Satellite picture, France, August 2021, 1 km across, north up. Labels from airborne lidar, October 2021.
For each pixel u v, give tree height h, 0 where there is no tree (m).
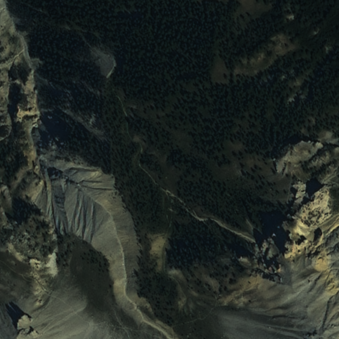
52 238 0
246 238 0
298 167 0
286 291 0
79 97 22
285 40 0
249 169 0
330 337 0
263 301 0
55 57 23
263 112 15
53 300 0
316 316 0
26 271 0
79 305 0
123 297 0
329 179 0
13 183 0
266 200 0
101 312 0
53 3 8
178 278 0
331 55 11
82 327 0
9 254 0
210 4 24
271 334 0
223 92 21
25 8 7
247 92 15
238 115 11
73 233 0
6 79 0
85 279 0
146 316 0
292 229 0
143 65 23
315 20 6
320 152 10
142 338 0
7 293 0
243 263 0
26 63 0
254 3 0
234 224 10
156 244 0
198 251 8
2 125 7
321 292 0
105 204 0
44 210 0
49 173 0
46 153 0
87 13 13
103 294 0
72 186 0
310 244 0
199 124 22
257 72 0
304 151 0
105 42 9
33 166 0
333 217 0
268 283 0
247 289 0
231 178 0
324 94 10
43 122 0
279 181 0
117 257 0
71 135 21
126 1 16
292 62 18
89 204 0
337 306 0
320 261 0
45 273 0
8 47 0
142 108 0
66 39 15
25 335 0
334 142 0
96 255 11
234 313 0
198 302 0
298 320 0
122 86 10
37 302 0
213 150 11
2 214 0
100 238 0
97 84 10
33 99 0
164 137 9
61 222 0
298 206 0
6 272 0
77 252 0
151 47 17
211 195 17
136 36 8
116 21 25
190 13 26
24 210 10
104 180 0
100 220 0
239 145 0
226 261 0
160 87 6
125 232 0
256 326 0
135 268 0
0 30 0
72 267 0
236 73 0
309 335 0
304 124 17
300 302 0
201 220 0
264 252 0
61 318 0
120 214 0
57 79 11
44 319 0
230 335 0
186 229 7
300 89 6
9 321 0
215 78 0
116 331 0
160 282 9
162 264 0
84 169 0
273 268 0
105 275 0
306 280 0
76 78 17
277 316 0
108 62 0
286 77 9
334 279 0
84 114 6
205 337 0
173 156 14
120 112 7
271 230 0
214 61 9
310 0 12
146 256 0
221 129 18
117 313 0
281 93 8
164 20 15
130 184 8
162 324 0
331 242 0
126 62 26
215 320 0
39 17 7
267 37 19
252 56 21
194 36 23
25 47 0
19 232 0
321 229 0
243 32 21
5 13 0
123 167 9
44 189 0
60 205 0
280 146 12
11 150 17
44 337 0
